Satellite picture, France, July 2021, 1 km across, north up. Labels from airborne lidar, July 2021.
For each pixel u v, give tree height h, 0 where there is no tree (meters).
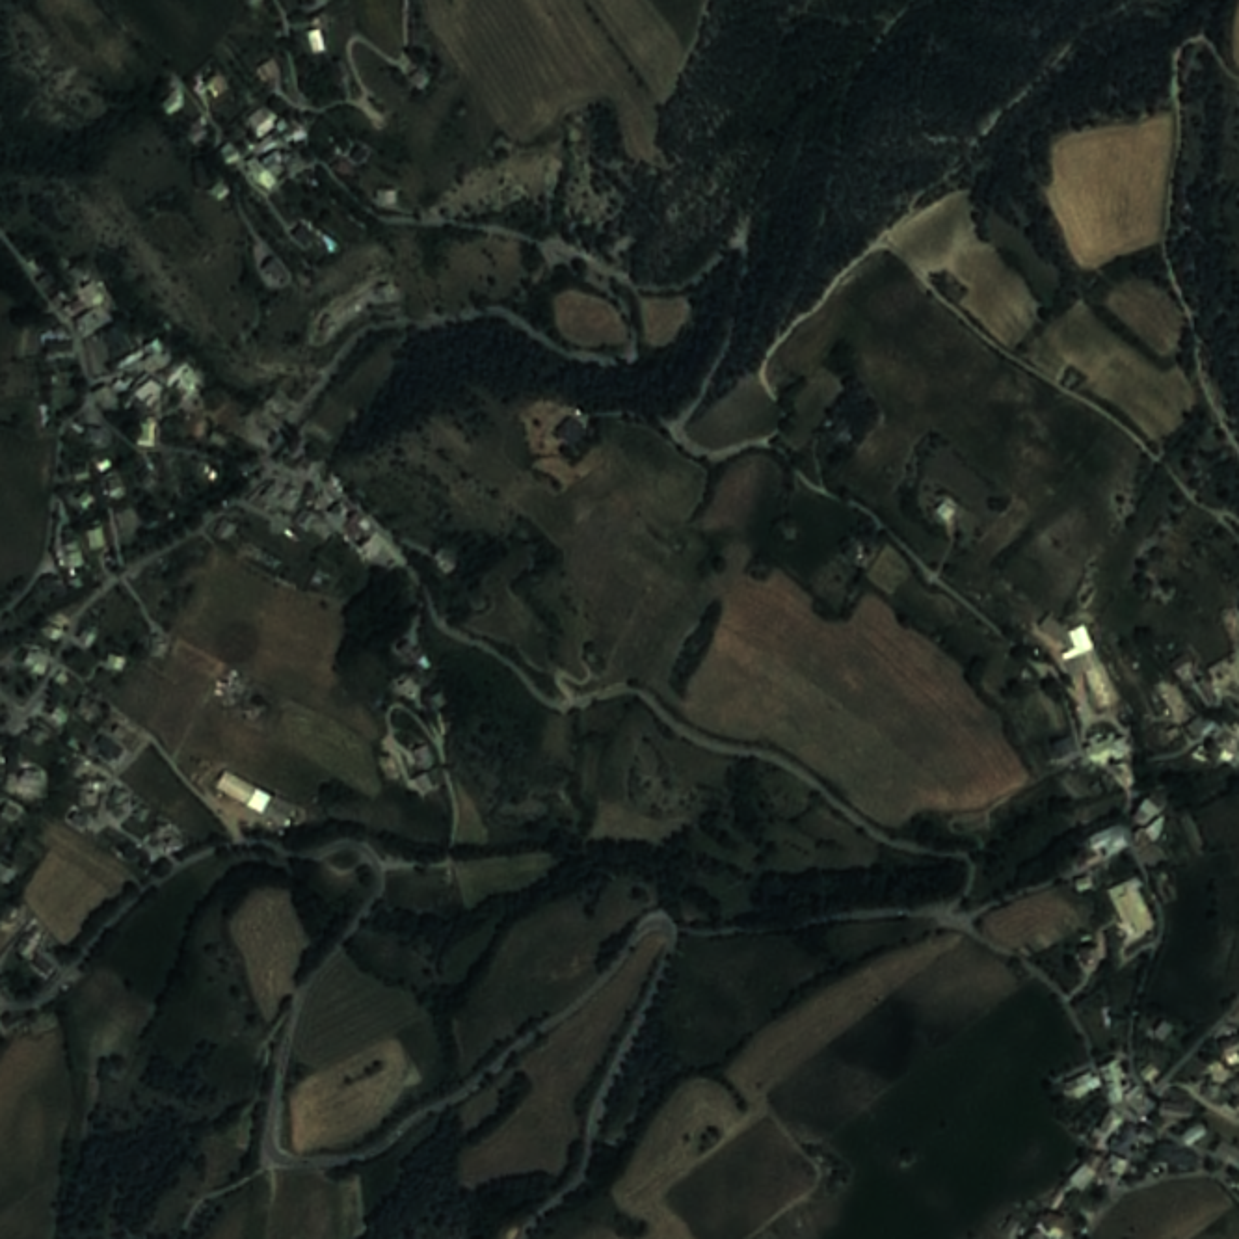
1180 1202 0
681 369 25
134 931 0
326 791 10
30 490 0
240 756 0
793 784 0
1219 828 0
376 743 0
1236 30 0
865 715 0
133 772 0
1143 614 0
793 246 10
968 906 12
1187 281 10
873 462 0
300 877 11
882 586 0
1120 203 0
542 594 0
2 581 0
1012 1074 0
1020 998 0
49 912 0
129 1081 0
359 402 0
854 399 11
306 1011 0
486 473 0
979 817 0
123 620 0
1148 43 12
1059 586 0
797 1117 0
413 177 0
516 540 6
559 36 0
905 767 0
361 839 11
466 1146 7
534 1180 10
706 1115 0
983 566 0
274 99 8
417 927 11
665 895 11
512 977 0
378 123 0
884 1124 0
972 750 0
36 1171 0
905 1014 0
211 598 0
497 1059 7
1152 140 0
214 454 12
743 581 0
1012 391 0
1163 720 0
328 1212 0
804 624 0
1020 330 0
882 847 7
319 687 0
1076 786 0
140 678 0
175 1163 7
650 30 0
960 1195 0
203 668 0
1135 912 0
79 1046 0
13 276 13
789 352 0
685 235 8
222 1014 0
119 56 0
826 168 8
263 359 0
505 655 7
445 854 11
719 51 10
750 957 0
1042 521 0
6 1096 0
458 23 0
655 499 0
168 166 0
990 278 0
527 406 0
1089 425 0
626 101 0
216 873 0
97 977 0
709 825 8
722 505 0
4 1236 0
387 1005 0
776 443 8
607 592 0
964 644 0
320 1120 0
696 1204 0
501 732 6
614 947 7
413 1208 13
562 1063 0
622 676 0
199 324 0
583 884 10
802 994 8
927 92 8
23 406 0
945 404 0
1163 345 0
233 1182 7
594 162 9
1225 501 15
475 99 0
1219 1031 0
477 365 17
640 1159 0
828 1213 0
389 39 0
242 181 7
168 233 0
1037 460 0
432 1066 0
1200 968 0
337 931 11
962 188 6
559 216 7
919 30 6
